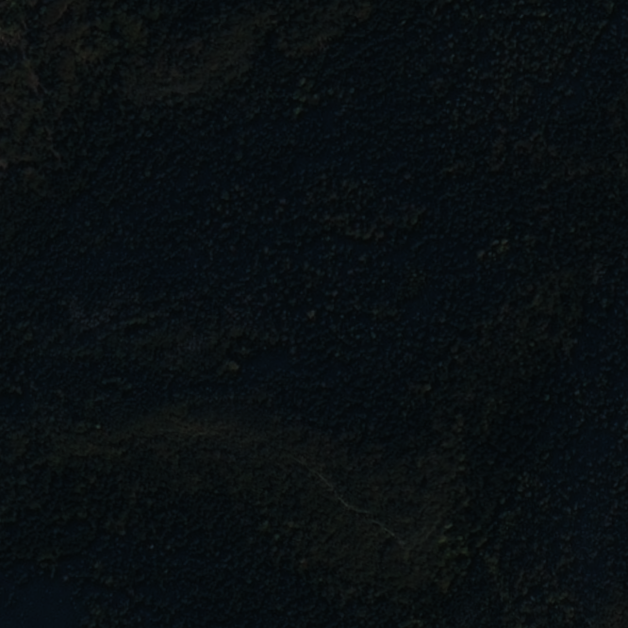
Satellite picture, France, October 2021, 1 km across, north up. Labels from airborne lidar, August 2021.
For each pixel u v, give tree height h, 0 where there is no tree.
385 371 11
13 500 25
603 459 26
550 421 24
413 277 12
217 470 37
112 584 35
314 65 29
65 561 8
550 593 22
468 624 20
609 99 23
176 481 25
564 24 23
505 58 25
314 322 18
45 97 23
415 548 15
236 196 25
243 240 31
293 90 32
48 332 17
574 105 20
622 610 13
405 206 25
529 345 18
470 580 23
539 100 21
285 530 27
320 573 12
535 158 23
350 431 26
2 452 12
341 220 17
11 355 23
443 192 32
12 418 23
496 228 34
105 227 24
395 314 28
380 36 30
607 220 19
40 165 18
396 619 30
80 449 21
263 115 23
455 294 29
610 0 18
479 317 26
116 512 28
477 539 27
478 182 29
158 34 25
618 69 18
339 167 32
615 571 19
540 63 20
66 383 29
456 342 21
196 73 14
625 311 21
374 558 26
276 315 13
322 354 24
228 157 16
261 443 10
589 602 6
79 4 29
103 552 11
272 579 32
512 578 22
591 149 23
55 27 24
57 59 26
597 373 18
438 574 21
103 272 31
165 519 44
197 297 27
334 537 27
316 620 37
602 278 31
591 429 13
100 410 12
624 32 26
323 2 10
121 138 27
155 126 24
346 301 26
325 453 22
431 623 18
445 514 21
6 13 16
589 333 19
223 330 25
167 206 27
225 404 25
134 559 17
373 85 13
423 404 13
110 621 20
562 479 25
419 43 26
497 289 30
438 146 22
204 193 5
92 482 30
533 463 29
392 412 28
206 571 30
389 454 25
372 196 19
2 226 27
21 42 18
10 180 20
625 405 18
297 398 27
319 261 25
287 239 32
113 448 33
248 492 31
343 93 24
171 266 27
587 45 18
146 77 11
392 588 26
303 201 28
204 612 33
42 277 25
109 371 30
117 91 14
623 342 9
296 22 11
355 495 14
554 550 18
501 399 22
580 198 13
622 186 6
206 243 25
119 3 24
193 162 26
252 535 28
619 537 19
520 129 21
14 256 32
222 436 11
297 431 22
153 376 32
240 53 7
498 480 32
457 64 26
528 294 18
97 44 18
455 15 14
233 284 32
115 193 29
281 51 6
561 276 22
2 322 21
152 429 7
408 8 33
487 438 20
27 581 10
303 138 27
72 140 20
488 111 19
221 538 35
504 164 17
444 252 27
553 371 19
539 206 25
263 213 24
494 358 12
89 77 17
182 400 25
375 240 27
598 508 17
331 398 28
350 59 32
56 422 17
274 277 21
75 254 28
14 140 11
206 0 16
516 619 16
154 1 31
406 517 11
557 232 26
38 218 32
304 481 26
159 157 29
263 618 24
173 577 19
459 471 18
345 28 7
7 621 22
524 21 7
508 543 25
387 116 27
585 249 8
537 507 22
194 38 26
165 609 31
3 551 7
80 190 6
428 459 17
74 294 32
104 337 18
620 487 19
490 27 20
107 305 28
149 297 32
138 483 27
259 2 20
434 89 11
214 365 22
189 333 28
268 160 27
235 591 26
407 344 30
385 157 24
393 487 14
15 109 20
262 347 8
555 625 17
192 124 26
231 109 24
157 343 19
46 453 19
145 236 18
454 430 20
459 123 22
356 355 28
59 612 25
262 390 25
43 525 21
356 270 25
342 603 24
